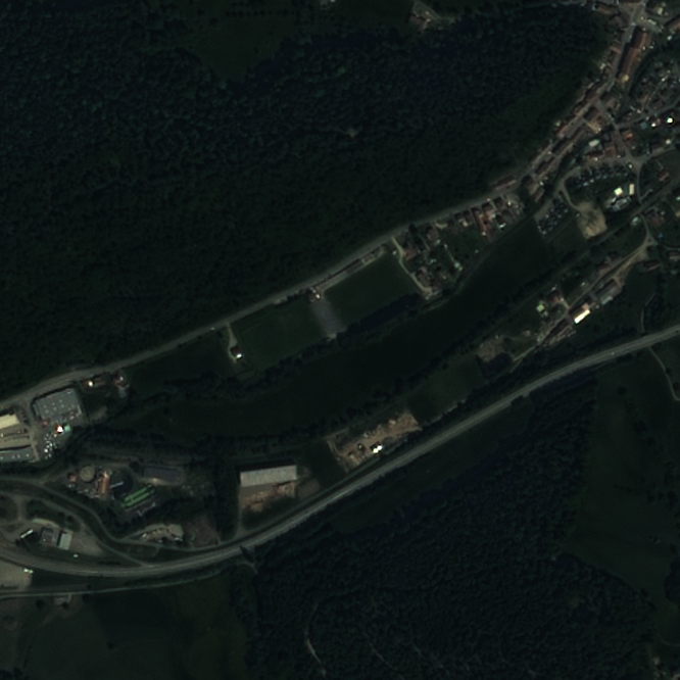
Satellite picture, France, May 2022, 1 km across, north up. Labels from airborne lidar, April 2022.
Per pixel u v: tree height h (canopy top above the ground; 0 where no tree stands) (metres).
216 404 11
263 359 0
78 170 11
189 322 9
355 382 0
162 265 26
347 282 0
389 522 0
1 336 25
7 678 18
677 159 0
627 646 33
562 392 11
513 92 22
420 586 27
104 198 23
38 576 0
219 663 0
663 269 0
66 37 33
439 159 19
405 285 0
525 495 30
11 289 27
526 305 0
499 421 0
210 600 0
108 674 0
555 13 21
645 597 13
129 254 25
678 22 0
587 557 0
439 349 0
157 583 6
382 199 26
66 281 26
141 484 0
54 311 22
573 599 0
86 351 8
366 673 18
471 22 21
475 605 23
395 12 0
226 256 24
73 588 0
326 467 0
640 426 7
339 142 16
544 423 12
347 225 16
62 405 0
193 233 21
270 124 36
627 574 0
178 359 0
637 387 0
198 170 26
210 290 32
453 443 0
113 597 0
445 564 31
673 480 18
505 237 0
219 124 31
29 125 32
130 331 14
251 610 10
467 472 0
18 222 28
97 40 26
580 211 0
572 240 0
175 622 0
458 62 34
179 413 0
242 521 0
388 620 27
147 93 35
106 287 22
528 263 0
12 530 0
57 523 0
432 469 0
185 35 34
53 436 0
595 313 0
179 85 32
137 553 0
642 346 0
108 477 0
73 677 0
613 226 8
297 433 17
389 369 0
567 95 16
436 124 19
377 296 0
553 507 28
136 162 10
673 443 0
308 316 0
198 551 0
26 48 35
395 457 0
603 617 26
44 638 0
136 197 23
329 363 0
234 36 0
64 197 25
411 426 0
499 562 25
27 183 24
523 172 0
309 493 0
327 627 21
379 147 22
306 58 29
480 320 0
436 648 19
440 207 6
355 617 15
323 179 22
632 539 0
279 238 31
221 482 16
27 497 0
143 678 0
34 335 26
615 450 0
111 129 6
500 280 0
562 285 0
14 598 0
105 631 0
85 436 8
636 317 0
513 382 9
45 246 26
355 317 0
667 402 0
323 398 0
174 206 21
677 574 20
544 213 0
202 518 0
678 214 0
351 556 25
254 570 0
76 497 10
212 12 0
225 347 0
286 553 10
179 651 0
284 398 0
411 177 19
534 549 28
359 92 34
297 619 20
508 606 22
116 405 13
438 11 21
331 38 0
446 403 0
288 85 32
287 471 0
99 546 0
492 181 0
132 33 29
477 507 28
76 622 0
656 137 7
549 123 14
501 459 13
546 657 22
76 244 24
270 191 17
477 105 18
